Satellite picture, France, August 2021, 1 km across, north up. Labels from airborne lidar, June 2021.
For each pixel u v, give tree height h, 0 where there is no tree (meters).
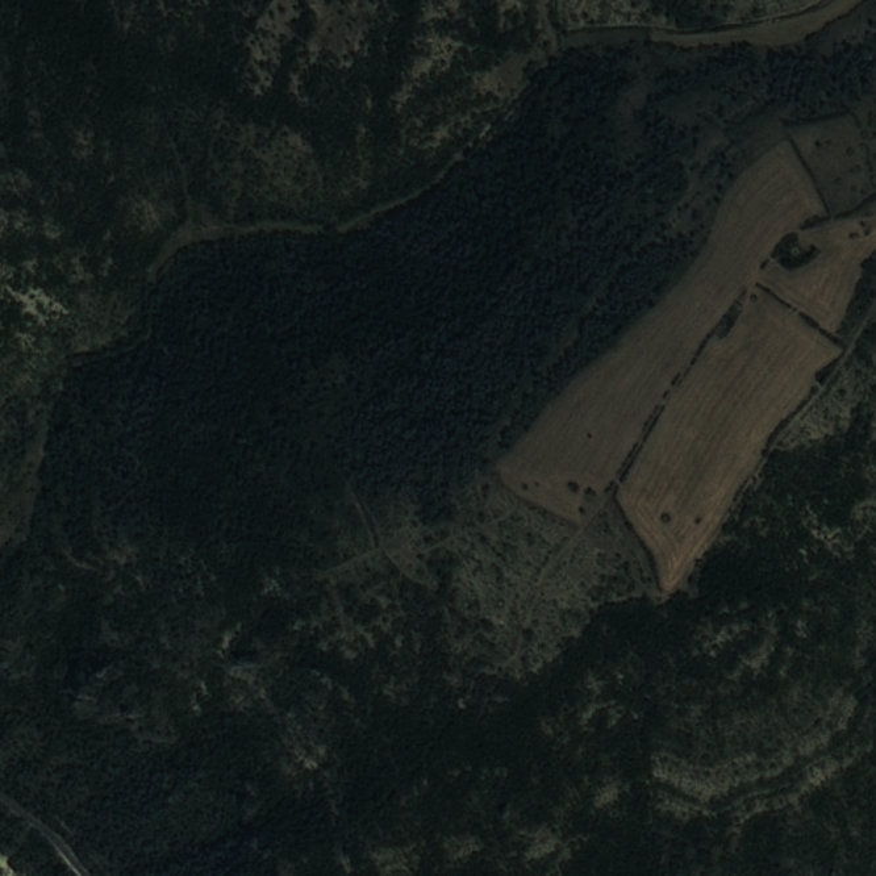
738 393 0
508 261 8
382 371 7
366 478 9
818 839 6
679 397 0
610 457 0
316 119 7
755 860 7
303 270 9
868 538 7
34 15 11
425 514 8
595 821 7
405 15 10
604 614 10
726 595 10
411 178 7
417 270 12
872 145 0
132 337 10
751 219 0
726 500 0
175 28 6
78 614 12
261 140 6
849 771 8
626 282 10
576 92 8
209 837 10
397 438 10
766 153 0
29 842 10
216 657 5
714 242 0
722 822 7
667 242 8
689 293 0
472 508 0
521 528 0
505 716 7
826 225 0
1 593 9
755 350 0
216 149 7
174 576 7
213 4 8
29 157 6
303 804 6
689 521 0
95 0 11
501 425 0
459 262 12
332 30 7
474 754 10
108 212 7
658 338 0
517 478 0
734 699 6
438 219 7
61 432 13
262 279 13
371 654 6
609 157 8
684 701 6
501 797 8
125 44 8
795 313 0
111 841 8
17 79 9
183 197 10
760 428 0
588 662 6
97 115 8
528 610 0
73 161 6
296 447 7
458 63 6
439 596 7
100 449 7
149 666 7
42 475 12
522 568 0
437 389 12
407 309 10
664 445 0
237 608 7
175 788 11
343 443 8
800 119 5
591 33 5
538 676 8
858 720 6
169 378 8
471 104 6
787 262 9
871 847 6
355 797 7
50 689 11
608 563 0
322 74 8
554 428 0
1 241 6
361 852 7
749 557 9
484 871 9
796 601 6
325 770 6
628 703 8
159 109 7
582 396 0
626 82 12
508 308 10
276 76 6
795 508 9
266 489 6
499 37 8
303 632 11
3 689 9
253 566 8
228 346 11
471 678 7
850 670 7
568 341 0
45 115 10
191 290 10
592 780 7
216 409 6
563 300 10
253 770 7
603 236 9
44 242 6
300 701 6
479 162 8
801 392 0
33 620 10
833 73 10
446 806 6
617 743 8
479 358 13
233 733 8
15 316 8
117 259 7
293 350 10
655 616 8
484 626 8
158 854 10
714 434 0
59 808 7
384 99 7
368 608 7
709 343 0
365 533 0
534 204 9
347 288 9
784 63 12
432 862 9
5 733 9
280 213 11
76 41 10
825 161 0
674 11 10
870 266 9
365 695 7
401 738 7
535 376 11
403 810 7
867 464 7
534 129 8
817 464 9
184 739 9
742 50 12
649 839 9
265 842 6
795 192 0
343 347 9
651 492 0
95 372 7
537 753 9
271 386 7
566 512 0
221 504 8
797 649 7
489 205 7
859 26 0
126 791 12
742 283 0
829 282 0
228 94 7
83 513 7
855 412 6
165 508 7
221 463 7
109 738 9
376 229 11
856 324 0
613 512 0
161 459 8
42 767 6
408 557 0
